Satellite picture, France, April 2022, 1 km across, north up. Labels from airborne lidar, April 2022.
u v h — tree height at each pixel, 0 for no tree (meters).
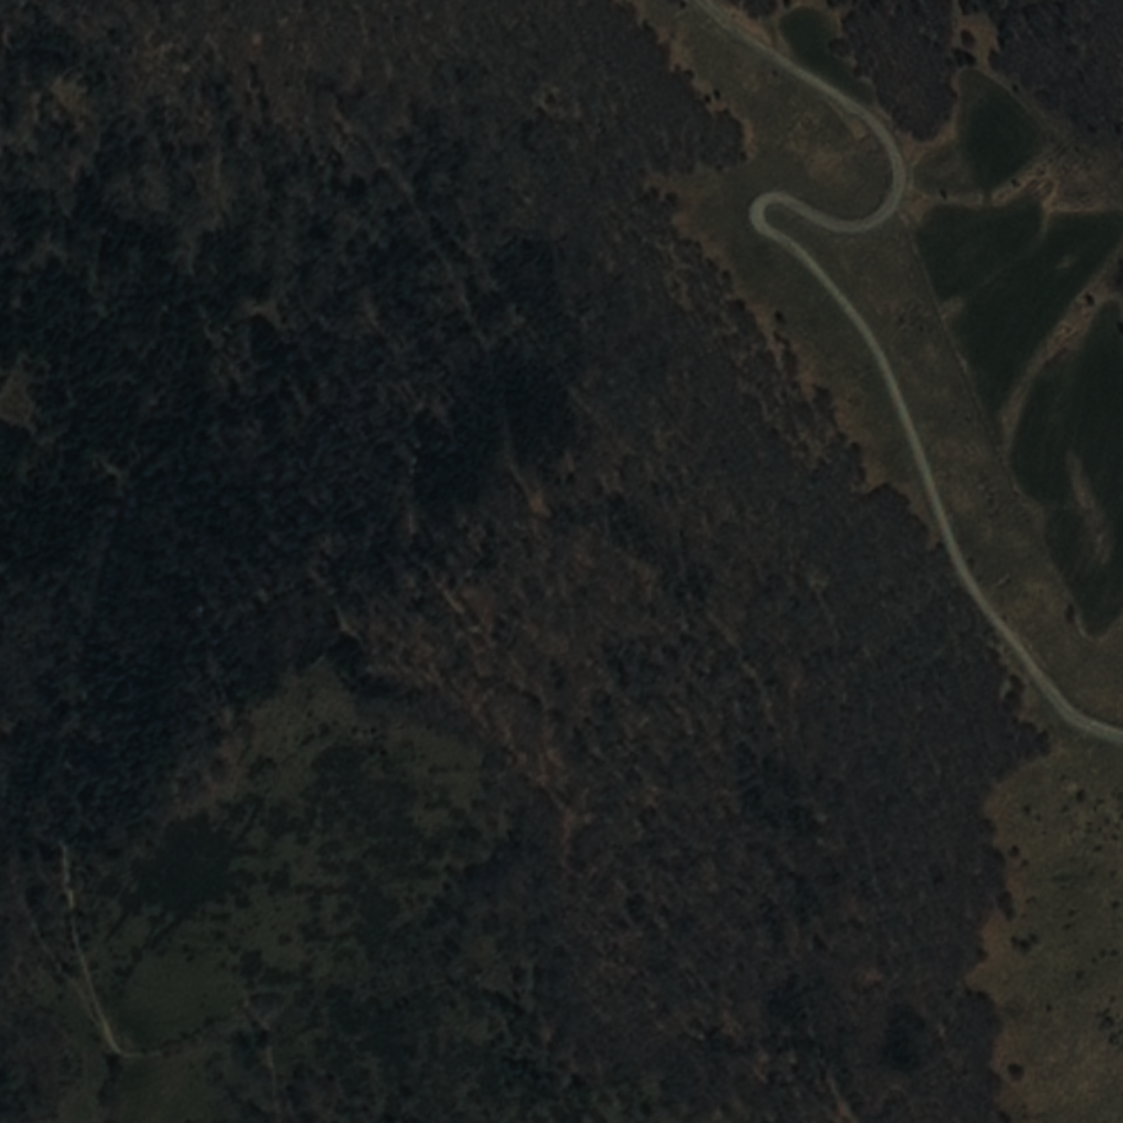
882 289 0
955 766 15
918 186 0
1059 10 11
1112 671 0
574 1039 16
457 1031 0
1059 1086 0
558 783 16
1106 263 0
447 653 27
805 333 0
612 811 28
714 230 0
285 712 0
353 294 30
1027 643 0
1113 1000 0
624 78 12
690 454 16
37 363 33
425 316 28
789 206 0
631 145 16
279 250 29
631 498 17
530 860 17
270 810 0
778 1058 24
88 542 28
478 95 17
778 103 0
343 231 23
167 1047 8
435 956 0
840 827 18
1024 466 0
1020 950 7
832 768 13
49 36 30
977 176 0
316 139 24
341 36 25
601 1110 0
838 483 14
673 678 19
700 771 25
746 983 23
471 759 0
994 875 16
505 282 19
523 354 20
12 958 19
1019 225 0
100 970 0
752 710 25
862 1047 19
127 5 17
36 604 25
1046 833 0
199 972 0
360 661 12
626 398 17
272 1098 15
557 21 13
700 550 17
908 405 0
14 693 18
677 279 14
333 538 27
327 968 0
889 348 0
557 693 17
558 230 18
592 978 21
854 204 0
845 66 0
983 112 0
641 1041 22
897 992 13
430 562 14
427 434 19
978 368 0
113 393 27
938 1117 18
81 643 16
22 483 9
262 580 16
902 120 7
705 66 0
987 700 12
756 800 19
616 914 17
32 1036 18
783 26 0
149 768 30
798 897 17
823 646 9
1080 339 0
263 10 22
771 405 14
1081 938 0
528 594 22
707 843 19
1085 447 0
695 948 25
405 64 22
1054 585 0
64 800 17
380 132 25
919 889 14
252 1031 20
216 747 21
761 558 17
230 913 0
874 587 14
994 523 0
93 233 28
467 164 19
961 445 0
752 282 0
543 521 13
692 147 10
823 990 17
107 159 24
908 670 16
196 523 19
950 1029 19
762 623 19
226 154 24
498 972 0
